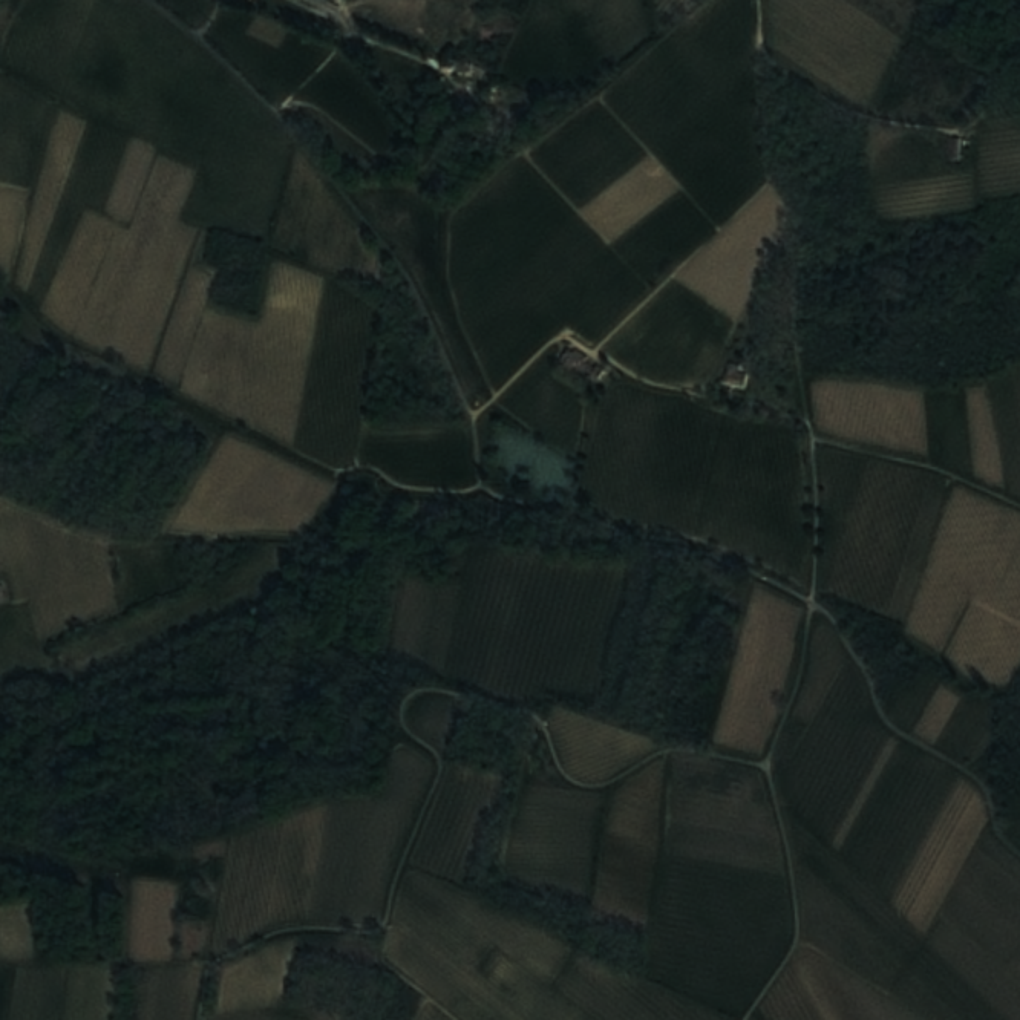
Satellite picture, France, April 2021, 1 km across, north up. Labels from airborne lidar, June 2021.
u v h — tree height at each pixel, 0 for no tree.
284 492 0
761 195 0
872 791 0
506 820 22
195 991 0
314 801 12
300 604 21
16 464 15
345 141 0
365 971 20
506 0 13
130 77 0
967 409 0
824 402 0
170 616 0
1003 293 14
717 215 0
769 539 0
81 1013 0
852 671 0
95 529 17
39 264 0
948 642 0
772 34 0
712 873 0
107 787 25
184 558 10
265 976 0
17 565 0
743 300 0
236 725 22
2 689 24
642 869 0
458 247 0
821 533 7
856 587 0
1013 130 0
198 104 0
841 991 0
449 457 0
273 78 0
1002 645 0
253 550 14
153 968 0
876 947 0
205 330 0
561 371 19
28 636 0
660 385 0
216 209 0
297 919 0
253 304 11
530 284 0
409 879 0
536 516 16
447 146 27
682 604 13
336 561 23
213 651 13
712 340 0
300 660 6
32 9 0
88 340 0
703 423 0
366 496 19
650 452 0
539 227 0
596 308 0
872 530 0
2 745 23
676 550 20
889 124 12
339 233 0
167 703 15
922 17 12
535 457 0
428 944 0
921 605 0
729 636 23
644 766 0
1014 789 19
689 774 0
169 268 0
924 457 0
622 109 0
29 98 0
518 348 0
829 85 0
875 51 0
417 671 22
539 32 0
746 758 0
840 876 0
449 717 0
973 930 0
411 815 0
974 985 0
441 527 26
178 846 22
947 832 0
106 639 0
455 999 0
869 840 0
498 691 0
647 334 0
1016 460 0
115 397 21
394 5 0
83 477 18
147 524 16
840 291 0
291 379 0
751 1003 0
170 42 0
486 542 13
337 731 24
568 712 11
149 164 0
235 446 0
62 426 25
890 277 21
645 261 0
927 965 0
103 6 0
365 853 0
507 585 0
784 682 0
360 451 0
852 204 20
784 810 0
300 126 20
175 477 26
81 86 0
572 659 0
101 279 0
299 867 0
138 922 0
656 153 0
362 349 0
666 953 0
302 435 0
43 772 26
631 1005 0
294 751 16
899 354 13
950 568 0
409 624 0
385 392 23
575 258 0
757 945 0
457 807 0
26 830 25
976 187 0
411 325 20
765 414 13
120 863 19
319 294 0
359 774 19
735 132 0
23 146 0
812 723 0
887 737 0
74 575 0
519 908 19
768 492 0
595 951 25
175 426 24
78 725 24
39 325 0
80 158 0
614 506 0
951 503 0
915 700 0
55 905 27
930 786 0
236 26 0
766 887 0
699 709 7
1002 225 6
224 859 0
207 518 0
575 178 0
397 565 28
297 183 0
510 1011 0
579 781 0
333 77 0
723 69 0
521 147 17
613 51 0
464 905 0
